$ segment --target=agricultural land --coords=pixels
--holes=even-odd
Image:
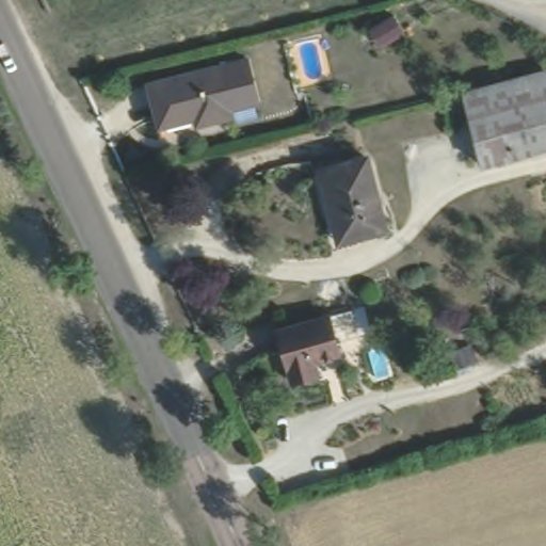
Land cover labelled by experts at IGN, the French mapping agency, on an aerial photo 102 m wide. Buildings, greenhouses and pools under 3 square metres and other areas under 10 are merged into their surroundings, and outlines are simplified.
[[[36,156],[36,149],[23,128],[23,122],[13,100],[0,87],[0,546],[186,546],[183,529],[168,508],[164,491],[149,486],[143,480],[134,461],[134,450],[141,444],[149,444],[154,439],[151,427],[160,420],[164,407],[158,403],[154,390],[145,388],[145,384],[141,382],[134,388],[119,392],[113,386],[105,386],[96,367],[87,365],[96,358],[100,358],[102,363],[107,358],[107,354],[111,352],[111,339],[107,331],[117,326],[115,316],[119,311],[115,307],[111,309],[105,296],[96,290],[90,299],[79,299],[66,290],[51,290],[47,286],[53,267],[62,269],[70,267],[75,258],[90,258],[87,252],[83,252],[70,222],[66,220],[51,190],[51,183],[47,181],[45,164]]]

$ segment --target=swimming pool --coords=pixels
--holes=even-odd
[[[305,70],[309,77],[314,77],[316,83],[326,77],[320,70],[316,49],[311,45],[303,47]]]
[[[378,382],[390,378],[392,365],[386,358],[386,354],[378,350],[369,352],[369,358],[373,367],[371,380]]]

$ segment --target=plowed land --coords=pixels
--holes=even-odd
[[[292,546],[546,546],[546,441],[523,444],[497,454],[482,454],[473,461],[461,461],[437,471],[422,471],[418,476],[386,480],[369,488],[356,488],[335,497],[309,501],[292,512],[299,518],[299,527],[294,527],[288,535]]]

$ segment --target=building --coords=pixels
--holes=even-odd
[[[476,168],[486,171],[546,154],[546,70],[540,73],[473,90],[463,96],[463,102],[476,149],[473,164]]]
[[[322,328],[303,328],[284,337],[284,346],[290,352],[282,354],[282,365],[284,369],[290,369],[292,363],[299,363],[303,382],[318,384],[322,380],[320,373],[324,369],[333,369],[337,360],[343,358],[331,320]]]
[[[177,124],[222,126],[235,119],[237,111],[256,109],[256,87],[252,85],[247,58],[243,55],[235,62],[220,62],[209,68],[198,68],[164,77],[158,81],[149,81],[143,90],[147,92],[147,105],[154,119],[162,126],[160,130]]]
[[[392,17],[375,30],[369,30],[367,34],[369,49],[378,51],[382,47],[392,45],[395,41],[407,36],[407,28],[403,28],[403,23],[395,21]]]
[[[382,203],[375,192],[373,175],[363,154],[331,166],[316,168],[316,177],[309,179],[309,203],[314,209],[318,235],[335,237],[335,241],[341,247],[371,239],[388,239],[392,237],[392,232],[388,218],[384,218],[382,213]]]

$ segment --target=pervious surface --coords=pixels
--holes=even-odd
[[[186,247],[200,247],[200,252],[207,258],[245,267],[252,262],[252,256],[232,252],[224,245],[224,241],[211,237],[207,218],[203,218],[200,224],[188,226],[171,241],[171,247],[177,254],[183,254]]]
[[[508,13],[510,17],[525,21],[531,28],[546,34],[546,0],[478,0],[495,9]]]
[[[279,264],[271,267],[269,277],[275,279],[314,282],[322,277],[352,277],[395,256],[420,232],[439,209],[448,205],[456,196],[488,183],[546,173],[546,154],[486,171],[476,168],[473,164],[469,166],[463,160],[459,160],[459,149],[452,147],[450,137],[444,132],[439,132],[437,137],[414,141],[407,149],[412,213],[405,226],[392,232],[392,237],[388,239],[371,239],[341,247],[326,258],[282,260]]]
[[[277,437],[282,439],[279,441],[277,448],[260,461],[260,467],[271,476],[275,480],[282,480],[307,471],[335,469],[341,463],[346,463],[346,454],[341,448],[326,446],[331,433],[343,422],[360,418],[365,414],[380,414],[386,407],[399,410],[405,405],[437,401],[444,397],[478,388],[484,386],[497,378],[508,375],[510,371],[529,367],[535,358],[546,358],[546,339],[537,346],[525,348],[518,360],[512,363],[484,360],[480,365],[459,371],[454,378],[444,380],[439,384],[422,386],[416,382],[412,386],[395,386],[392,390],[375,390],[367,388],[356,399],[343,397],[337,403],[333,401],[326,407],[292,416],[277,420]]]
[[[258,491],[254,488],[256,484],[250,478],[247,463],[230,463],[224,482],[230,482],[237,493],[237,497],[230,503],[232,518],[245,518],[247,514],[256,514],[258,520],[264,520],[273,510],[271,505],[264,505],[260,501]]]
[[[209,341],[205,339],[192,343],[190,335],[186,333],[188,318],[175,301],[175,288],[162,284],[158,277],[145,264],[141,243],[137,241],[130,224],[119,215],[117,196],[113,194],[109,183],[105,149],[115,147],[117,134],[143,141],[147,147],[158,147],[164,141],[160,137],[160,130],[162,126],[154,119],[147,105],[147,92],[143,90],[130,90],[128,100],[119,102],[100,98],[98,94],[90,85],[85,87],[85,96],[96,117],[87,122],[81,117],[81,113],[70,105],[70,100],[55,87],[47,70],[45,58],[32,38],[30,26],[23,19],[23,11],[17,6],[15,0],[0,0],[0,6],[17,23],[17,30],[38,68],[47,94],[53,100],[60,119],[75,145],[75,151],[81,158],[81,164],[94,186],[94,192],[102,205],[102,213],[130,264],[139,294],[156,307],[160,322],[151,333],[160,337],[160,348],[164,350],[164,354],[179,365],[181,382],[196,390],[200,399],[194,405],[194,412],[188,422],[198,424],[203,441],[209,444],[215,424],[228,418],[228,407],[215,388],[215,378],[228,378],[237,401],[241,397],[252,395],[254,390],[264,388],[267,378],[264,369],[260,367],[247,371],[245,375],[237,369],[226,363],[226,356],[252,348],[252,339],[245,328],[230,326],[224,333],[226,337],[220,341],[211,337]]]

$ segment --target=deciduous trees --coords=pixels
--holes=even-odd
[[[245,518],[245,531],[252,546],[284,546],[282,527],[269,527],[269,523],[264,520],[258,520],[256,514],[247,514]]]
[[[371,380],[373,367],[369,358],[358,358],[358,363],[350,365],[339,375],[343,397],[356,399],[367,388],[375,390],[378,382]]]
[[[188,318],[186,333],[190,335],[192,343],[205,339],[209,341],[211,337],[220,341],[226,337],[224,333],[230,326],[245,328],[247,320],[258,318],[269,303],[273,303],[271,299],[277,294],[275,279],[269,277],[256,277],[247,273],[245,267],[207,258],[200,252],[200,247],[186,247],[183,254],[177,254],[168,258],[166,269],[158,277],[162,284],[175,288],[175,301]]]
[[[203,218],[207,218],[209,188],[200,179],[188,179],[188,186],[179,188],[173,194],[168,209],[171,224],[188,226],[200,224]]]
[[[90,258],[75,258],[70,267],[62,269],[53,267],[47,286],[51,290],[66,290],[79,299],[90,299],[96,290],[96,269]]]
[[[179,484],[179,480],[183,478],[186,454],[168,441],[154,439],[149,444],[141,444],[134,450],[134,461],[143,480],[149,486],[164,491]]]
[[[282,166],[267,171],[264,186],[237,186],[235,203],[241,215],[267,213],[271,192],[277,188],[279,179],[288,175]]]
[[[303,181],[290,194],[299,205],[309,203],[309,179]]]
[[[546,388],[546,358],[535,358],[529,367],[531,373]]]
[[[294,388],[277,384],[277,373],[267,378],[264,388],[254,390],[252,395],[241,397],[237,401],[252,431],[262,429],[271,439],[279,441],[282,439],[277,437],[277,420],[292,416],[286,410],[286,405],[288,395]]]
[[[512,363],[518,360],[525,348],[537,346],[546,339],[546,267],[533,267],[529,284],[520,286],[499,264],[495,252],[503,239],[533,243],[542,239],[542,232],[546,230],[546,215],[540,211],[525,213],[523,205],[516,198],[508,198],[505,207],[495,213],[480,211],[478,215],[461,213],[448,205],[439,209],[420,232],[427,237],[429,243],[439,245],[450,254],[444,267],[433,267],[429,262],[405,264],[397,269],[397,273],[390,279],[373,282],[373,286],[369,286],[363,296],[365,303],[380,303],[382,296],[386,301],[392,301],[401,309],[401,320],[418,326],[429,324],[431,314],[439,316],[437,341],[433,343],[433,348],[429,348],[427,354],[420,356],[420,360],[407,373],[416,382],[422,386],[439,384],[444,380],[454,378],[459,371],[480,365],[484,360]]]
[[[491,410],[488,418],[482,424],[484,435],[501,433],[514,424],[525,424],[529,420],[546,416],[546,399],[540,399],[540,403],[527,403],[510,410],[508,405],[495,401],[491,390],[484,386],[478,388],[480,410]]]
[[[117,326],[107,331],[111,339],[111,352],[107,354],[107,358],[102,363],[100,358],[96,358],[87,365],[96,367],[105,386],[113,386],[119,392],[134,388],[141,382],[137,360],[126,341],[122,339]]]

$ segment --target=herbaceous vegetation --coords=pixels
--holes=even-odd
[[[484,386],[491,390],[495,401],[508,405],[510,410],[527,403],[540,403],[540,399],[546,399],[546,388],[531,373],[529,367],[510,371],[508,375],[497,378]]]
[[[258,318],[247,320],[245,328],[252,339],[252,348],[226,356],[226,363],[237,369],[239,365],[256,356],[269,356],[269,363],[277,373],[277,384],[294,388],[299,388],[303,382],[299,363],[292,363],[290,369],[284,369],[282,365],[282,354],[290,352],[284,346],[284,337],[303,328],[322,328],[331,320],[331,316],[335,314],[365,309],[367,326],[363,328],[365,337],[358,350],[358,358],[369,358],[369,352],[378,350],[386,354],[386,358],[392,365],[390,378],[378,382],[375,390],[392,390],[395,386],[412,386],[416,382],[407,373],[420,360],[420,356],[427,354],[429,348],[433,348],[433,343],[437,341],[439,316],[431,314],[429,324],[418,326],[401,320],[401,309],[392,301],[386,301],[382,296],[380,303],[365,303],[363,296],[369,286],[373,286],[373,282],[390,279],[397,273],[397,269],[405,264],[429,262],[433,267],[444,267],[450,254],[439,245],[429,243],[427,237],[420,232],[395,256],[352,277],[322,277],[314,282],[275,279],[277,294],[271,299],[273,303],[269,303]]]
[[[183,478],[179,480],[179,484],[164,491],[168,508],[183,529],[186,546],[218,546],[211,529],[207,527],[213,516],[205,510],[198,497],[198,488]]]
[[[45,58],[47,70],[55,87],[70,100],[70,105],[81,113],[81,117],[87,122],[96,117],[85,96],[85,87],[90,85],[98,94],[113,81],[117,70],[126,66],[237,38],[267,34],[271,30],[318,21],[326,15],[346,13],[341,4],[346,4],[348,0],[15,0],[17,6],[23,11],[23,19],[30,26],[32,38]]]
[[[247,463],[250,478],[256,484],[254,488],[258,491],[260,501],[264,505],[271,505],[273,501],[264,491],[264,482],[271,476],[260,467],[260,461]]]
[[[523,49],[514,41],[508,45],[510,62],[501,68],[488,68],[486,51],[508,43],[508,36],[501,32],[501,23],[510,17],[508,13],[495,9],[488,13],[488,19],[480,19],[452,6],[448,0],[392,0],[388,4],[388,13],[392,17],[395,21],[403,23],[403,28],[407,28],[407,36],[427,51],[420,53],[414,62],[403,64],[401,55],[392,51],[392,45],[382,47],[378,51],[369,49],[367,34],[354,28],[337,28],[331,34],[324,28],[314,28],[307,36],[320,38],[320,43],[326,49],[326,77],[316,83],[305,87],[301,81],[294,79],[292,70],[296,68],[296,64],[290,60],[288,51],[277,49],[275,41],[260,41],[247,45],[243,53],[224,53],[198,62],[179,64],[173,68],[134,75],[130,79],[130,90],[143,90],[149,81],[158,81],[164,77],[198,68],[209,68],[220,62],[235,62],[243,55],[247,58],[252,85],[256,87],[256,109],[237,111],[235,119],[222,126],[177,124],[160,130],[160,137],[164,141],[158,147],[147,147],[143,141],[117,134],[115,147],[105,149],[109,183],[113,194],[117,196],[119,215],[130,224],[137,241],[141,243],[145,264],[158,277],[166,269],[168,258],[177,254],[171,247],[171,241],[188,226],[171,224],[168,209],[173,194],[179,188],[188,186],[188,179],[200,179],[209,188],[207,218],[211,237],[224,241],[224,245],[232,252],[252,256],[252,262],[245,267],[247,273],[256,277],[269,277],[271,267],[279,264],[282,260],[326,258],[341,247],[335,241],[335,237],[318,235],[314,209],[309,203],[299,205],[290,194],[303,181],[309,179],[316,177],[316,168],[331,166],[363,154],[373,175],[375,192],[382,203],[382,213],[384,218],[388,218],[392,232],[405,226],[412,213],[407,149],[414,141],[437,137],[439,132],[444,132],[450,137],[452,147],[459,149],[459,160],[463,160],[469,166],[473,164],[476,149],[463,102],[454,100],[448,113],[435,115],[424,105],[433,102],[431,87],[439,90],[439,83],[446,81],[469,83],[473,90],[540,73],[540,62],[533,55],[525,58]],[[331,126],[326,130],[294,134],[269,147],[252,149],[245,154],[232,154],[232,158],[213,158],[196,166],[175,166],[164,156],[164,147],[168,143],[175,143],[179,132],[186,130],[209,137],[207,145],[222,145],[264,132],[309,126],[318,117],[331,119]],[[237,186],[264,186],[267,171],[282,166],[288,175],[279,179],[277,188],[271,192],[267,213],[241,215],[235,203]]]
[[[525,213],[540,211],[546,215],[546,173],[488,183],[456,196],[448,205],[461,213],[478,215],[480,211],[495,213],[505,207],[508,198],[516,198],[523,205]]]
[[[546,267],[546,230],[542,232],[542,239],[533,243],[503,239],[495,252],[499,264],[520,286],[529,284],[533,267]]]
[[[346,463],[341,463],[335,469],[307,471],[282,480],[279,488],[288,495],[309,484],[373,471],[403,456],[427,452],[435,446],[459,444],[484,435],[482,424],[488,418],[491,410],[480,410],[478,388],[444,397],[437,401],[405,405],[399,410],[386,407],[380,414],[365,414],[360,418],[343,422],[331,433],[326,446],[341,448],[346,454]]]
[[[269,527],[282,527],[284,546],[292,546],[288,535],[294,527],[299,527],[299,518],[292,512],[273,510],[264,520],[269,523]]]

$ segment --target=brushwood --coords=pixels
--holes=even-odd
[[[431,87],[433,102],[424,105],[435,115],[448,113],[454,100],[463,102],[463,96],[473,90],[469,83],[446,81],[439,83],[439,90]]]
[[[326,130],[331,126],[331,119],[318,117],[309,126],[264,132],[222,145],[207,145],[209,137],[186,130],[179,132],[175,143],[168,143],[164,147],[164,156],[175,166],[196,166],[213,158],[232,158],[232,154],[245,154],[252,149],[269,147],[294,134]]]
[[[228,418],[215,424],[209,444],[215,452],[222,452],[230,463],[247,463],[260,461],[277,448],[279,441],[271,439],[262,429],[252,431],[237,401],[228,378],[215,378],[215,388],[228,407]]]
[[[324,28],[331,34],[337,28],[354,28],[367,34],[369,30],[375,30],[392,17],[388,13],[388,4],[392,0],[348,0],[346,4],[341,4],[346,13],[326,15],[318,21],[271,30],[267,34],[237,38],[126,66],[117,70],[113,81],[98,94],[100,98],[119,102],[128,100],[130,90],[130,79],[134,75],[173,68],[179,64],[198,62],[224,53],[243,53],[247,45],[260,41],[275,41],[277,49],[288,51],[288,41],[301,41],[307,36],[314,28]]]
[[[546,34],[531,28],[525,21],[510,17],[501,23],[501,32],[508,36],[508,43],[486,51],[488,68],[501,68],[510,62],[508,45],[514,41],[523,49],[525,58],[533,55],[540,62],[540,73],[546,70]]]
[[[286,405],[286,410],[292,416],[326,407],[333,401],[328,382],[322,380],[318,384],[303,382],[299,388],[294,388],[288,395]]]
[[[267,378],[277,373],[269,363],[269,356],[256,356],[239,365],[237,369],[245,375],[247,371],[260,367],[264,369]]]
[[[395,41],[392,45],[392,51],[401,55],[403,64],[414,62],[420,53],[427,51],[407,36]]]
[[[448,0],[452,6],[480,19],[488,19],[488,13],[495,9],[478,0]]]
[[[356,488],[369,488],[386,480],[418,476],[422,471],[437,471],[461,461],[473,461],[482,454],[497,454],[523,444],[546,441],[546,416],[529,420],[525,424],[514,424],[501,433],[484,435],[459,444],[435,446],[427,452],[403,456],[373,471],[309,484],[288,495],[279,488],[282,480],[275,480],[271,476],[264,482],[264,491],[273,501],[271,505],[273,510],[292,512],[309,501],[335,497]]]

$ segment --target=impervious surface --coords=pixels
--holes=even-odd
[[[117,326],[122,339],[126,341],[137,360],[141,382],[145,384],[145,388],[154,390],[158,403],[164,407],[160,420],[151,427],[154,439],[168,441],[186,454],[183,478],[198,488],[198,497],[205,510],[213,516],[207,527],[211,529],[218,546],[252,546],[245,531],[245,518],[232,518],[230,503],[237,497],[237,493],[230,482],[224,482],[230,463],[222,452],[215,452],[209,444],[203,441],[198,424],[188,422],[194,412],[194,405],[200,399],[196,390],[181,382],[179,365],[164,354],[164,350],[160,348],[160,337],[151,333],[160,322],[156,307],[139,294],[130,264],[102,213],[102,205],[94,192],[94,186],[81,164],[81,158],[75,151],[75,145],[60,119],[53,100],[47,94],[38,68],[17,30],[17,23],[0,6],[0,87],[13,100],[23,122],[23,128],[36,149],[36,156],[45,164],[47,181],[51,183],[51,190],[66,220],[70,222],[83,252],[87,252],[90,258],[96,269],[96,290],[105,296],[111,309],[115,307],[119,311],[115,316]]]
[[[365,337],[363,328],[367,326],[365,309],[335,314],[331,316],[331,320],[343,358],[337,360],[333,369],[324,369],[320,373],[322,380],[328,382],[333,401],[337,403],[343,397],[339,375],[350,365],[358,363],[358,358],[358,350]]]
[[[288,51],[290,60],[296,64],[296,68],[292,70],[294,79],[301,81],[305,87],[316,83],[314,77],[309,77],[305,70],[303,47],[311,45],[316,49],[320,70],[326,77],[326,49],[320,43],[320,38],[307,36],[301,41],[288,41]]]

